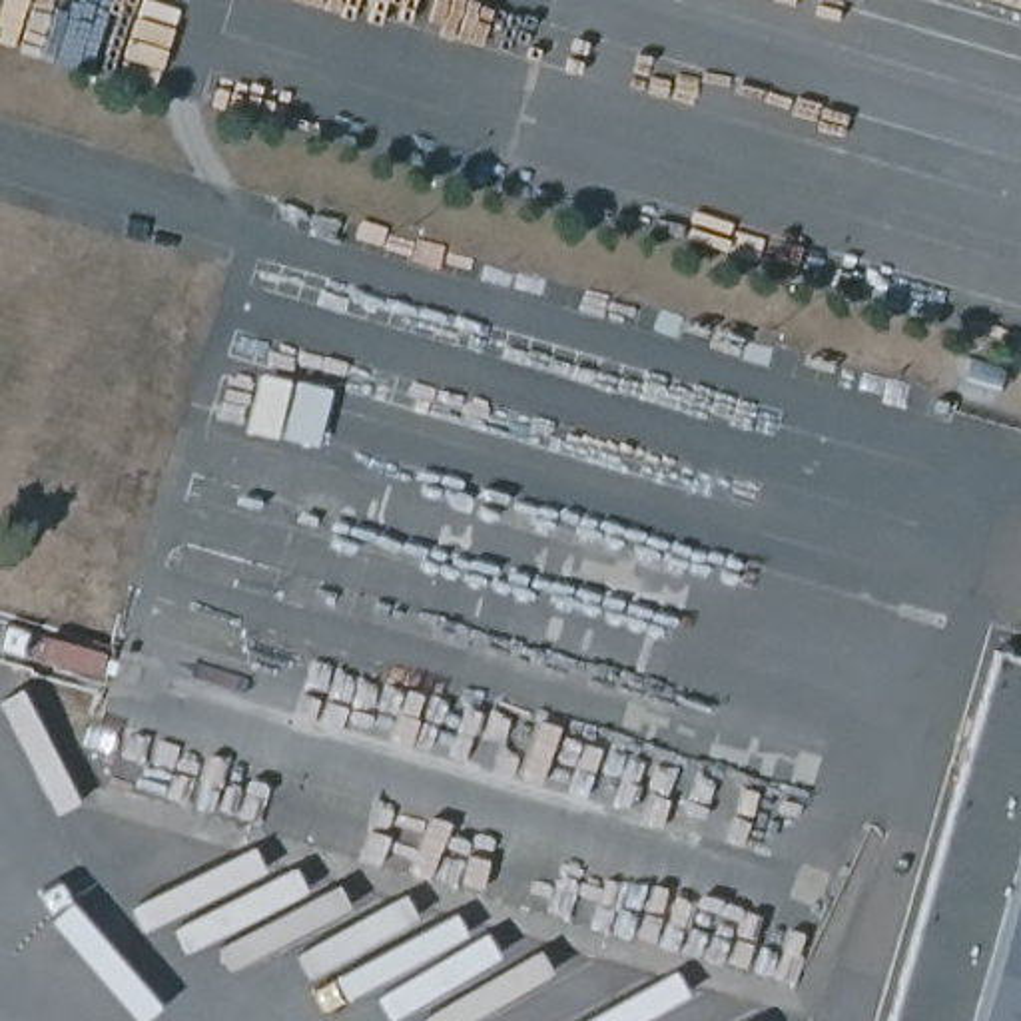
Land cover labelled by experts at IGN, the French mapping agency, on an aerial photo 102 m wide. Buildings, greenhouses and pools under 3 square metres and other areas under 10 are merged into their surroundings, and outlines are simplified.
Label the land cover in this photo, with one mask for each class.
<instances>
[{"label":"impervious surface","instance_id":"1","mask_svg":"<svg viewBox=\"0 0 1021 1021\"><path fill-rule=\"evenodd\" d=\"M0 44L28 60L64 64L72 72L80 64L88 76H116L136 92H148L152 80H164V92L171 96L168 112L171 136L191 160L195 175H179L120 152L72 144L48 132L8 128L0 120V215L8 207H24L80 223L88 231L164 243L175 247L183 259L215 263L223 271L203 355L183 387L179 459L175 471L164 467L156 475V522L140 534L136 582L132 594L120 598V634L84 622H64L60 614H32L0 598V1021H889L897 973L909 949L937 834L953 794V738L961 722L977 710L989 658L1001 650L1021 654V415L973 403L961 391H945V403H929L925 391L905 395L897 379L873 375H861V391H846L838 375L810 371L794 351L770 355V347L750 343L754 323L746 319L718 311H702L698 323H686L674 311L634 315L630 307L610 303L606 295H582L570 283L546 287L538 275L522 271L475 267L471 255L387 235L375 223H359L351 239L319 243L307 231H295L291 219H283L267 199L231 183V171L223 168L215 140V120L231 104L251 124L287 128L319 124V140L327 144L347 140L363 152L407 164L419 175H463L471 187H503L511 199L542 211L562 203L578 211L590 227L606 219L614 223V231L654 243H670L674 227H690V239L730 251V259L738 271H766L770 279H802L818 287H830L850 299L881 291V307L889 315H901L905 323H961V339H985L989 347L1005 339V347H1021V0H0Z\"/></svg>","mask_w":1021,"mask_h":1021},{"label":"herbaceous vegetation","instance_id":"2","mask_svg":"<svg viewBox=\"0 0 1021 1021\"><path fill-rule=\"evenodd\" d=\"M0 120L8 128L48 132L72 144L120 152L179 175H195L191 160L171 136L168 112H112L100 104V96L72 84V72L64 64L28 60L0 44ZM223 168L231 171V183L267 199L283 219H291L295 231H307L319 243L351 239L359 223H375L387 235L471 255L475 267L522 271L538 275L546 287L570 283L582 295H606L610 303L630 307L634 315L674 311L686 323H698L702 311H718L746 319L754 323L750 343L770 347V355L794 351L810 371L838 375L846 391H861V375H873L897 379L905 395L925 391L929 403H945V391H961L973 403L1021 415V375L1001 379L997 371L949 351L941 323H905L901 315H889L881 307V291L850 299L830 287H818L810 303H794L778 287L770 295L754 291L746 275L734 287H726L714 283V267L730 259V251L690 239V227H674L670 243H654L614 231V223L606 219L590 227L578 211L562 203L542 211L511 199L503 203V211H487V195L475 191L467 207H447L443 175H419L407 164L363 152L347 140L327 144L319 140V124L287 128L283 144H263L259 136L235 144L215 140ZM223 271L215 263L183 259L175 247L164 243L88 231L80 223L24 207H8L0 215V499L12 503L20 522L44 530L40 546L0 574V598L32 614H60L64 622H84L120 634V598L132 594L136 582L140 534L156 522V475L164 467L175 471L179 459L183 387L203 355Z\"/></svg>","mask_w":1021,"mask_h":1021},{"label":"building","instance_id":"3","mask_svg":"<svg viewBox=\"0 0 1021 1021\"><path fill-rule=\"evenodd\" d=\"M953 794L937 834L909 949L897 973L889 1021H1021V654L1001 650L989 658L977 710L961 722L953 738Z\"/></svg>","mask_w":1021,"mask_h":1021},{"label":"deciduous trees","instance_id":"4","mask_svg":"<svg viewBox=\"0 0 1021 1021\"><path fill-rule=\"evenodd\" d=\"M72 84L100 96V104L112 112H168L171 96L164 92V80H152L148 92H136L116 76H88L80 64L72 72ZM287 128L251 124L231 104L215 120V140L235 144L259 136L263 144H283ZM447 207H467L475 191L487 195V211H503V203L511 199L503 187H471L463 175H443ZM746 275L754 291L770 295L778 287L794 303H810L818 287L802 279H770L766 271H738L730 259L714 267V283L726 287H734ZM949 351L997 371L1001 379L1021 375V347H1005V339L989 347L985 339H961V323H941ZM44 530L20 522L12 503L0 499V574L40 546Z\"/></svg>","mask_w":1021,"mask_h":1021}]
</instances>
